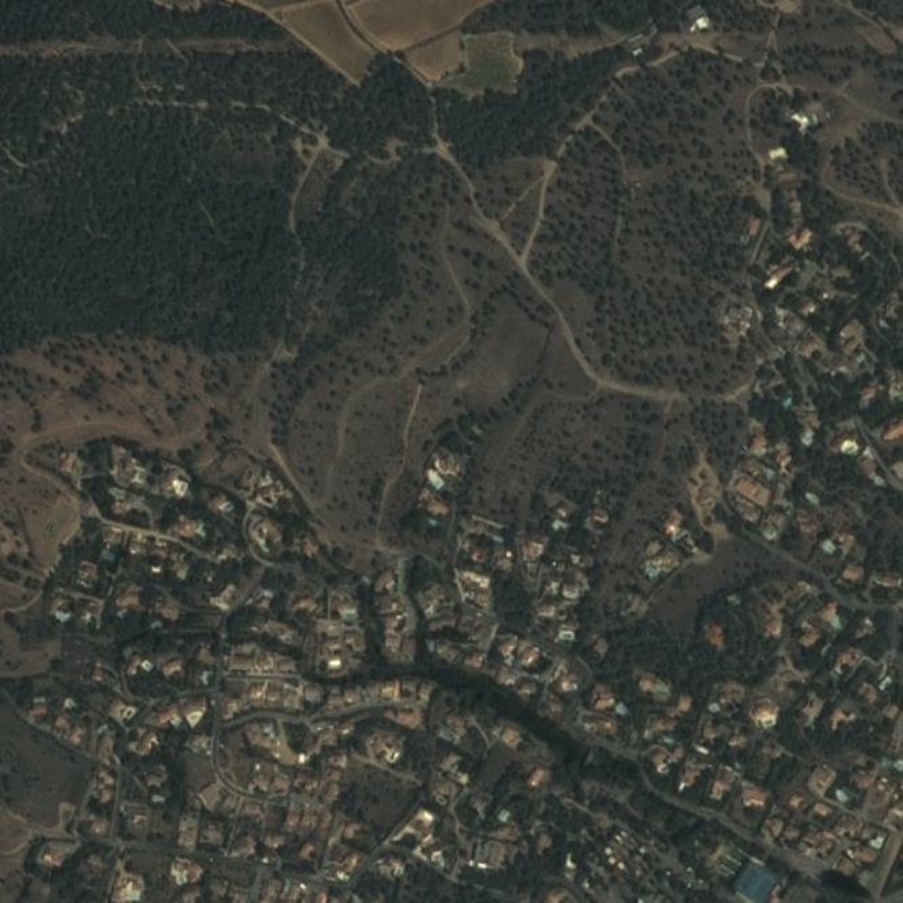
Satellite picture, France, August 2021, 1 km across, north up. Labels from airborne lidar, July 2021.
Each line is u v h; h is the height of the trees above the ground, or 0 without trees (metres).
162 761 6
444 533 12
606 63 7
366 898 10
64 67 9
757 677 9
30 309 10
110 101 11
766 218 18
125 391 0
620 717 7
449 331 0
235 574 11
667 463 9
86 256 13
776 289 8
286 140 12
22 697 9
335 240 9
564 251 9
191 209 10
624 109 9
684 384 12
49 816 0
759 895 0
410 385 0
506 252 0
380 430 0
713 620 11
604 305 10
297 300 7
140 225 12
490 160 10
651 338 8
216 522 7
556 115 8
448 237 0
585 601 13
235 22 14
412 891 10
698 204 19
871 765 7
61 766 0
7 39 10
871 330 9
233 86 13
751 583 9
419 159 7
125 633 16
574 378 0
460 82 0
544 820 12
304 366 13
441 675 10
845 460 12
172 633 8
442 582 8
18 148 13
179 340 14
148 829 0
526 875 10
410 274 11
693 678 17
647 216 13
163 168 12
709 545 11
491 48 0
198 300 10
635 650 10
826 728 11
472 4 0
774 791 10
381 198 8
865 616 7
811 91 0
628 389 0
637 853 6
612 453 7
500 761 0
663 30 7
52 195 11
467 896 14
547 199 0
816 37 0
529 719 8
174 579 12
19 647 0
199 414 0
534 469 0
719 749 6
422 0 0
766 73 12
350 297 8
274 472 9
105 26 12
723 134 0
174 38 13
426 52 0
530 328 0
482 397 0
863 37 0
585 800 13
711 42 0
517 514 12
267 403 9
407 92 12
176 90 11
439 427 7
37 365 0
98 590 7
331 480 0
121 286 12
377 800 9
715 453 8
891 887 7
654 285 12
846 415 9
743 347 11
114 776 7
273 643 9
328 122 11
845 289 8
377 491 13
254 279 18
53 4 13
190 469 6
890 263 7
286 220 6
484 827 9
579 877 8
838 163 11
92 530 9
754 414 10
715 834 9
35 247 11
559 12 10
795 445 11
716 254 13
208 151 7
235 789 0
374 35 0
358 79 0
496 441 0
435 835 6
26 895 8
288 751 0
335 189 9
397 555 0
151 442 0
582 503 13
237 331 16
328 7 0
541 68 8
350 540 0
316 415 0
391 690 0
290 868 10
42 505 0
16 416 0
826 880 9
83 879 6
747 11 10
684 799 11
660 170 0
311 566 16
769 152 0
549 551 6
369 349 0
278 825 0
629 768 14
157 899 0
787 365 12
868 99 0
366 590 7
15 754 0
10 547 0
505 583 8
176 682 7
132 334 10
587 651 10
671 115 12
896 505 12
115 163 8
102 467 10
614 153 8
